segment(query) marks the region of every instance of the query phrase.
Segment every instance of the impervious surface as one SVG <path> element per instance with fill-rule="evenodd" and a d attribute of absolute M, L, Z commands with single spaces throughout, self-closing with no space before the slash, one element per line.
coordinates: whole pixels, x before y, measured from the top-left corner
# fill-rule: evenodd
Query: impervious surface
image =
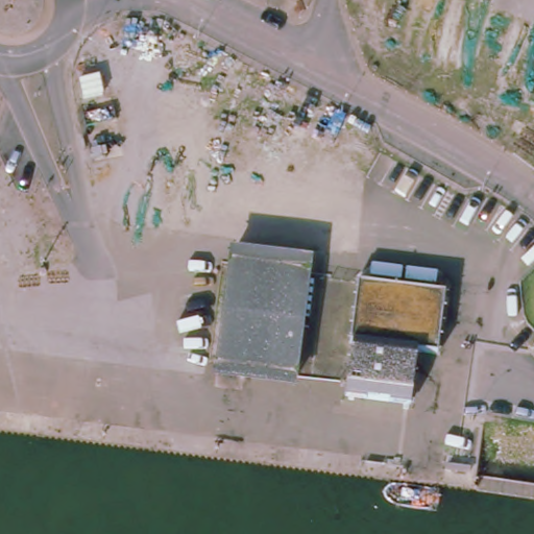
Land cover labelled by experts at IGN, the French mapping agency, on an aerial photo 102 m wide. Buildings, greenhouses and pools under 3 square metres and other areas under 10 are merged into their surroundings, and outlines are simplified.
<path fill-rule="evenodd" d="M 528 313 L 526 280 L 532 275 L 530 267 L 534 263 L 534 127 L 524 129 L 521 121 L 515 121 L 513 131 L 521 134 L 521 138 L 515 142 L 515 148 L 519 152 L 505 150 L 494 140 L 501 136 L 503 127 L 492 125 L 492 121 L 484 115 L 467 115 L 469 104 L 465 98 L 453 102 L 442 98 L 434 88 L 428 88 L 421 98 L 382 79 L 375 73 L 375 69 L 369 67 L 369 63 L 365 60 L 363 46 L 369 44 L 375 50 L 375 54 L 380 54 L 388 46 L 388 42 L 382 38 L 384 17 L 392 21 L 401 21 L 403 17 L 407 19 L 405 40 L 417 38 L 419 29 L 430 33 L 430 23 L 434 19 L 442 19 L 438 56 L 432 63 L 444 69 L 442 77 L 446 79 L 457 69 L 461 69 L 463 83 L 471 86 L 476 67 L 476 46 L 488 46 L 490 50 L 499 52 L 496 86 L 505 90 L 503 102 L 517 106 L 521 119 L 528 113 L 534 115 L 534 0 L 0 0 L 0 432 L 196 455 L 209 459 L 261 463 L 340 476 L 363 476 L 375 480 L 396 478 L 409 482 L 432 482 L 453 488 L 534 501 L 534 482 L 480 476 L 478 467 L 480 446 L 486 438 L 486 421 L 534 421 L 534 355 L 530 355 L 526 342 L 530 338 L 534 340 L 534 327 L 524 327 L 524 313 Z M 102 94 L 96 100 L 88 102 L 81 94 L 79 81 L 83 75 L 90 73 L 100 73 Z M 229 263 L 234 261 L 234 252 L 229 252 L 227 248 L 232 242 L 240 238 L 252 244 L 307 248 L 313 252 L 311 307 L 305 319 L 298 378 L 292 382 L 240 371 L 219 373 L 213 367 L 213 363 L 221 361 L 219 346 L 223 330 L 223 302 L 227 290 Z M 346 380 L 338 371 L 332 371 L 334 363 L 346 363 L 346 359 L 355 350 L 357 292 L 361 280 L 371 280 L 369 275 L 375 261 L 436 269 L 436 284 L 446 286 L 446 307 L 440 332 L 440 344 L 444 344 L 446 350 L 440 361 L 434 359 L 434 353 L 417 355 L 409 407 L 398 407 L 380 401 L 350 401 L 346 398 L 346 392 L 350 392 L 346 388 Z"/>

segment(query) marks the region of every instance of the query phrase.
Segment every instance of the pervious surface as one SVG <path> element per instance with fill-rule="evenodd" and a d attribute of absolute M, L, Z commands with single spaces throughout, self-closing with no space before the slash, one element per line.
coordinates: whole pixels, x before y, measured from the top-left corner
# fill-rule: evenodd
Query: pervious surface
<path fill-rule="evenodd" d="M 478 467 L 480 476 L 534 482 L 534 421 L 486 421 L 486 438 L 480 446 Z"/>

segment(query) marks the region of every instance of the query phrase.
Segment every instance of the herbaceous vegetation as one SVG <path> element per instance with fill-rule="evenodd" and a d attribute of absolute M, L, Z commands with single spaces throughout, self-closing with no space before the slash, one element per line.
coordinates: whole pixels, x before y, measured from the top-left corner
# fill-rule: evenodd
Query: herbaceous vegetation
<path fill-rule="evenodd" d="M 471 86 L 463 83 L 461 69 L 457 69 L 446 79 L 442 77 L 444 69 L 432 63 L 438 56 L 442 19 L 434 19 L 430 23 L 430 33 L 419 29 L 417 38 L 405 40 L 407 19 L 403 17 L 401 21 L 392 21 L 384 17 L 382 38 L 388 42 L 388 46 L 380 54 L 375 54 L 375 50 L 369 44 L 363 46 L 365 60 L 369 63 L 369 67 L 375 69 L 375 73 L 382 79 L 421 98 L 428 88 L 434 88 L 442 98 L 453 102 L 465 98 L 469 104 L 467 115 L 484 115 L 492 121 L 492 125 L 503 127 L 501 136 L 494 140 L 505 150 L 519 152 L 515 148 L 515 142 L 521 138 L 521 134 L 513 131 L 515 121 L 521 121 L 524 129 L 534 127 L 534 115 L 528 113 L 521 119 L 517 106 L 503 102 L 505 90 L 496 86 L 499 52 L 490 50 L 488 46 L 476 46 L 476 67 Z"/>
<path fill-rule="evenodd" d="M 530 267 L 532 275 L 526 280 L 528 313 L 524 313 L 524 327 L 534 327 L 534 263 Z"/>

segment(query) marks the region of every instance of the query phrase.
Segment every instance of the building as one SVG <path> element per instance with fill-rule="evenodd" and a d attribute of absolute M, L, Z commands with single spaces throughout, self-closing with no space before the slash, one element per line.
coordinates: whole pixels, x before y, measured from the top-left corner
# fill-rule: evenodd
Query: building
<path fill-rule="evenodd" d="M 530 338 L 526 342 L 530 355 L 534 355 L 534 340 Z"/>
<path fill-rule="evenodd" d="M 79 81 L 81 94 L 88 102 L 96 100 L 102 94 L 100 73 L 90 73 L 83 75 Z"/>
<path fill-rule="evenodd" d="M 240 371 L 292 382 L 298 378 L 305 319 L 311 307 L 313 252 L 307 248 L 252 244 L 240 238 L 232 242 L 227 248 L 229 252 L 234 252 L 234 261 L 229 263 L 227 290 L 223 302 L 223 330 L 219 346 L 221 361 L 213 363 L 213 367 L 219 373 Z"/>
<path fill-rule="evenodd" d="M 446 286 L 436 284 L 436 269 L 375 261 L 369 275 L 371 280 L 361 280 L 357 292 L 355 350 L 346 359 L 346 363 L 334 363 L 332 371 L 338 371 L 346 380 L 346 388 L 350 392 L 346 392 L 346 398 L 350 401 L 380 401 L 398 407 L 409 407 L 417 355 L 434 353 L 434 359 L 440 361 L 446 350 L 444 344 L 440 344 L 440 332 L 446 307 Z"/>

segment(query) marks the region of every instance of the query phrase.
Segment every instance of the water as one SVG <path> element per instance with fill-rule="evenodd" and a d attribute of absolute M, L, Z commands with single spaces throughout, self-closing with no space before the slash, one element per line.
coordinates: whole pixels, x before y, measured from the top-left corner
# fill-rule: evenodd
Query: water
<path fill-rule="evenodd" d="M 0 534 L 534 534 L 534 501 L 453 488 L 432 482 L 409 482 L 396 478 L 375 480 L 363 476 L 340 476 L 261 463 L 209 459 L 196 455 L 0 432 Z"/>

